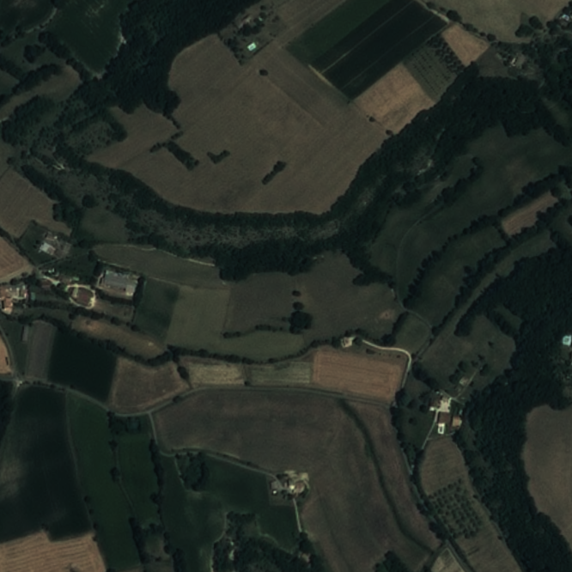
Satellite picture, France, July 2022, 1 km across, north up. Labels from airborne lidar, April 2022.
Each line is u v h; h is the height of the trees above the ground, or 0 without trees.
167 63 13
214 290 0
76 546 0
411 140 11
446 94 9
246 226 6
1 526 0
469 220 0
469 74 13
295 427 0
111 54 0
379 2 0
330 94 0
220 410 0
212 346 0
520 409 15
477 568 0
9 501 0
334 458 0
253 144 0
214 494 0
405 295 0
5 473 0
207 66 0
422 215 0
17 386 0
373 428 0
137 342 0
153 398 0
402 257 0
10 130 12
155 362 13
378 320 0
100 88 14
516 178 0
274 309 0
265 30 0
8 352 0
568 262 18
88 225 0
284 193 0
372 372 0
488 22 0
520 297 22
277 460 0
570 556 9
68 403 0
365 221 12
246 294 0
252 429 0
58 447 0
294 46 0
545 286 11
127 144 0
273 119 0
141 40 14
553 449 0
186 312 0
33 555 0
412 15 0
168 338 0
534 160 0
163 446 0
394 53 0
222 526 0
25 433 0
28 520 0
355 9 0
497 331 0
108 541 0
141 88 20
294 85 0
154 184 0
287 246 10
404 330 0
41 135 8
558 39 9
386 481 0
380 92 0
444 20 0
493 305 22
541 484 0
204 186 0
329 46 0
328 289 0
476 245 0
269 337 0
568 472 0
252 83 0
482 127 19
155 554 0
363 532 0
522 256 0
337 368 0
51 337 0
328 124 0
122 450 0
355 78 0
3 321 0
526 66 11
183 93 0
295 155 0
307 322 18
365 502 0
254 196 0
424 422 0
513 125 20
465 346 0
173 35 13
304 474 0
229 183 0
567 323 14
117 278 0
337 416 0
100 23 0
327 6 0
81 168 9
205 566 0
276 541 0
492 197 0
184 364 0
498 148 0
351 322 0
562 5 0
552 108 0
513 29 0
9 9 0
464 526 6
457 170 0
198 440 0
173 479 0
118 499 0
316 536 0
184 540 0
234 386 0
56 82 0
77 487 0
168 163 0
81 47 0
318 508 0
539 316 12
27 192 0
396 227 0
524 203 28
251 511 0
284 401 0
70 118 7
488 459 13
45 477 0
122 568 0
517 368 16
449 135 16
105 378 0
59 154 9
